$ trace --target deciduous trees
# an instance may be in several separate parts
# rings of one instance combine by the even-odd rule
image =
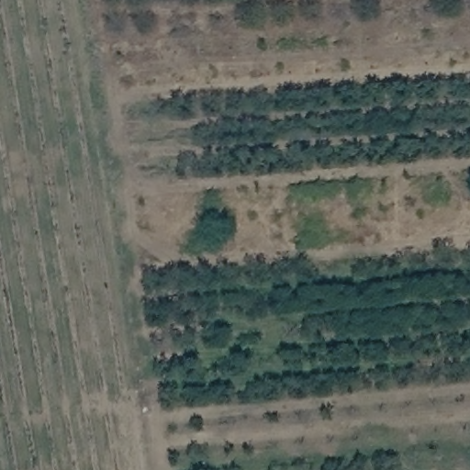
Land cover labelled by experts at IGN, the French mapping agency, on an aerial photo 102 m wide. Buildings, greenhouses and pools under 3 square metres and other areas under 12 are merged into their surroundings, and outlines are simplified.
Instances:
[[[409,384],[428,386],[435,384],[439,378],[446,378],[450,384],[470,382],[470,246],[461,250],[444,244],[439,248],[431,246],[431,250],[419,253],[413,250],[413,246],[406,246],[393,255],[397,259],[397,264],[393,266],[365,264],[358,272],[351,268],[349,279],[352,281],[400,274],[402,270],[426,270],[433,266],[463,270],[461,277],[437,274],[378,283],[369,286],[362,294],[358,294],[351,286],[325,285],[327,277],[319,274],[316,264],[307,255],[296,253],[294,257],[281,257],[272,263],[268,263],[264,255],[246,255],[244,264],[231,263],[224,259],[217,261],[215,266],[209,264],[207,268],[198,270],[195,275],[185,270],[171,270],[165,275],[141,274],[143,290],[154,290],[162,286],[176,288],[176,294],[169,296],[158,299],[143,297],[147,325],[160,327],[167,319],[178,319],[184,325],[184,330],[180,332],[180,338],[174,341],[174,345],[178,345],[185,352],[196,351],[195,340],[204,341],[207,347],[222,347],[224,341],[228,340],[231,325],[228,321],[218,318],[215,310],[231,310],[250,319],[264,318],[266,314],[277,316],[303,312],[305,316],[301,318],[301,334],[305,338],[314,338],[312,343],[308,343],[308,351],[299,343],[279,343],[275,351],[281,356],[283,371],[268,371],[263,375],[253,376],[252,380],[246,382],[244,389],[239,391],[237,398],[241,404],[272,402],[281,398],[325,397],[332,393],[352,393],[364,389],[384,391],[406,387]],[[387,365],[387,354],[400,356],[406,352],[420,352],[424,354],[422,360],[415,360],[413,364]]]
[[[352,13],[360,20],[380,17],[380,0],[351,0]]]
[[[195,464],[191,470],[215,470],[209,464],[206,442],[191,442],[185,448],[189,461]]]
[[[352,459],[345,459],[341,455],[312,453],[303,457],[270,459],[266,470],[400,470],[397,450],[376,448],[364,452],[356,450]]]
[[[134,22],[140,33],[149,33],[156,26],[156,15],[152,11],[105,13],[105,28],[114,33],[121,33]]]
[[[248,7],[241,11],[235,7],[235,20],[241,22],[242,28],[250,29],[264,28],[264,22],[283,26],[288,20],[296,17],[318,20],[321,15],[319,0],[261,0],[257,7]]]
[[[277,39],[281,50],[314,50],[327,46],[327,37],[312,39],[303,33],[296,33],[294,37]]]
[[[222,246],[235,235],[237,222],[235,215],[228,209],[204,207],[200,211],[196,215],[193,229],[200,235],[200,241],[204,242],[209,252],[222,250]]]
[[[160,406],[163,409],[189,408],[228,404],[229,387],[233,386],[231,380],[206,382],[206,375],[211,371],[233,371],[235,375],[244,373],[244,369],[250,364],[252,351],[242,349],[242,345],[252,338],[261,338],[261,332],[248,330],[239,334],[237,343],[229,349],[228,354],[217,358],[209,367],[202,367],[198,356],[185,360],[184,364],[180,365],[156,358],[152,360],[151,367],[152,373],[160,382]]]
[[[463,0],[430,0],[433,13],[444,18],[459,17],[463,13]]]
[[[345,86],[334,94],[332,88],[285,92],[283,86],[277,86],[275,92],[266,90],[264,94],[257,94],[255,97],[231,97],[228,94],[229,88],[218,88],[220,95],[215,105],[209,101],[200,103],[200,97],[169,97],[163,101],[163,116],[173,119],[187,119],[200,114],[202,110],[206,114],[215,114],[218,117],[215,123],[198,123],[191,127],[191,141],[202,147],[202,154],[198,154],[191,167],[196,178],[233,174],[297,173],[308,171],[318,165],[327,169],[365,162],[382,165],[417,162],[419,158],[470,156],[470,88],[466,88],[461,81],[424,81],[417,84],[391,83],[386,86],[369,84],[362,90]],[[369,140],[369,143],[358,140],[341,141],[341,145],[330,145],[330,141],[316,141],[314,145],[308,145],[308,149],[301,149],[301,140],[294,140],[286,143],[285,151],[279,151],[274,145],[275,140],[281,140],[286,132],[292,130],[310,130],[314,134],[375,132],[376,138]]]

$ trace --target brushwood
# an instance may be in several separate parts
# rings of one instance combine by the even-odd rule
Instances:
[[[424,202],[431,206],[446,206],[452,198],[450,184],[442,178],[441,173],[428,173],[409,174],[409,184],[419,187]]]
[[[319,200],[345,193],[352,209],[351,217],[362,218],[367,213],[365,200],[371,193],[387,193],[386,176],[351,176],[330,180],[316,178],[307,182],[288,184],[285,204],[277,211],[281,213],[281,217],[286,217],[292,222],[292,229],[296,231],[296,253],[307,255],[310,248],[325,248],[329,244],[364,244],[364,237],[354,235],[347,229],[329,229]]]
[[[222,202],[218,189],[206,189],[200,211],[204,207],[228,209]]]
[[[209,252],[204,242],[200,241],[200,235],[193,229],[187,231],[187,239],[180,246],[180,252],[191,253],[198,259],[202,259],[202,255]]]

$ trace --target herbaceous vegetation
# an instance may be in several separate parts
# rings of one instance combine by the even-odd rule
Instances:
[[[279,151],[285,151],[286,143],[294,140],[301,140],[301,149],[308,149],[308,145],[314,145],[316,141],[330,141],[330,145],[341,145],[341,141],[358,140],[369,143],[369,140],[376,138],[375,132],[314,134],[310,130],[292,130],[286,132],[281,140],[275,140],[274,145]]]
[[[195,464],[189,461],[185,448],[178,448],[178,461],[169,463],[167,470],[191,470]]]
[[[185,352],[178,345],[174,345],[174,341],[180,338],[180,332],[184,330],[184,325],[178,319],[167,319],[160,327],[147,325],[141,327],[141,336],[151,336],[156,358],[180,365],[184,364],[185,360],[198,356],[202,367],[209,367],[217,358],[228,354],[229,349],[237,343],[239,334],[248,330],[261,332],[261,338],[252,338],[242,345],[242,349],[252,351],[250,364],[244,369],[244,373],[235,375],[233,371],[211,371],[206,375],[206,382],[231,380],[233,386],[229,387],[228,404],[189,408],[193,417],[187,422],[174,424],[176,433],[185,433],[191,442],[206,442],[209,464],[215,470],[266,470],[270,459],[303,457],[312,453],[341,455],[345,459],[352,459],[356,450],[364,452],[376,448],[397,450],[400,470],[470,470],[470,382],[450,384],[446,378],[439,378],[435,384],[428,386],[409,384],[406,387],[384,391],[364,389],[352,393],[332,393],[325,397],[281,398],[272,402],[241,404],[237,398],[239,391],[244,389],[246,382],[252,380],[253,376],[263,375],[268,371],[283,371],[281,356],[275,351],[279,343],[299,343],[308,351],[308,343],[312,343],[314,338],[305,338],[301,334],[301,318],[305,316],[303,312],[277,316],[266,314],[264,318],[250,319],[231,310],[215,310],[218,318],[228,321],[231,325],[228,340],[224,341],[222,347],[207,347],[204,341],[195,340],[196,351]]]
[[[257,94],[264,94],[266,90],[275,92],[277,86],[283,86],[285,92],[332,88],[334,94],[345,86],[362,90],[369,84],[386,86],[391,83],[417,84],[424,81],[461,81],[466,88],[470,88],[470,0],[463,0],[463,13],[459,17],[444,18],[433,13],[430,0],[380,0],[380,17],[360,20],[352,13],[351,0],[319,0],[321,15],[318,20],[296,17],[288,20],[283,26],[264,22],[264,28],[250,29],[242,28],[241,22],[235,20],[235,7],[241,11],[248,7],[257,7],[261,0],[103,0],[105,13],[152,11],[156,15],[156,26],[149,33],[140,33],[134,22],[121,33],[114,33],[106,42],[108,51],[123,51],[121,66],[129,75],[121,77],[121,81],[116,81],[108,75],[103,81],[103,92],[106,95],[108,112],[112,117],[112,127],[108,130],[106,143],[112,152],[119,156],[123,165],[123,185],[117,193],[117,202],[127,213],[127,218],[123,222],[123,241],[129,244],[130,250],[134,253],[134,266],[140,266],[141,274],[165,275],[171,270],[185,270],[195,275],[198,270],[207,268],[209,264],[215,266],[217,261],[224,259],[231,263],[244,264],[246,255],[264,255],[268,263],[272,263],[281,257],[294,257],[296,253],[296,231],[292,229],[292,222],[286,217],[281,217],[281,213],[277,211],[285,204],[288,184],[307,182],[316,178],[330,180],[351,176],[386,176],[387,193],[371,193],[365,200],[367,213],[362,218],[351,217],[352,209],[345,193],[319,200],[329,229],[347,229],[354,235],[364,237],[364,244],[329,244],[325,248],[310,248],[307,255],[316,264],[319,274],[327,277],[325,285],[351,286],[358,294],[362,294],[369,286],[378,283],[437,274],[461,277],[463,270],[433,266],[426,270],[402,270],[400,274],[352,281],[349,279],[351,268],[358,272],[365,264],[393,266],[397,264],[397,259],[393,255],[406,246],[413,246],[413,250],[419,253],[431,250],[431,246],[439,248],[444,244],[461,250],[470,246],[470,156],[419,158],[417,162],[382,165],[365,162],[327,169],[318,165],[308,171],[297,173],[233,174],[196,178],[191,167],[198,154],[202,154],[202,147],[191,141],[191,127],[198,123],[215,123],[218,117],[215,114],[206,114],[202,110],[200,114],[187,119],[173,119],[163,116],[163,101],[169,97],[200,97],[200,103],[209,101],[215,105],[220,95],[218,88],[229,88],[228,94],[231,97],[255,97]],[[303,33],[312,39],[327,37],[327,46],[314,50],[281,50],[277,39],[294,37],[296,33]],[[428,173],[441,173],[442,178],[450,184],[452,198],[446,206],[431,206],[424,202],[419,187],[409,184],[409,174]],[[193,229],[196,215],[200,211],[206,189],[218,189],[222,202],[228,209],[235,215],[237,222],[235,235],[222,246],[222,250],[209,252],[202,255],[202,259],[198,259],[191,253],[180,252],[180,246],[187,239],[187,231]]]
[[[420,352],[406,352],[400,356],[387,354],[387,365],[413,364],[415,360],[422,360],[424,354]]]
[[[176,294],[176,288],[162,286],[154,290],[143,290],[143,297],[158,299],[169,296]]]

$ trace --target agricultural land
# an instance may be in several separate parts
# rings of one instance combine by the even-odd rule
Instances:
[[[141,336],[141,327],[147,325],[143,297],[143,290],[141,274],[140,266],[134,266],[134,253],[130,250],[129,244],[123,241],[123,222],[127,218],[127,213],[117,202],[117,193],[123,185],[123,165],[119,156],[112,152],[106,143],[108,130],[112,127],[112,117],[108,112],[106,95],[103,92],[103,81],[108,75],[116,81],[121,81],[121,77],[129,75],[121,66],[123,51],[108,51],[106,42],[114,33],[105,28],[105,13],[103,0],[0,0],[0,470],[167,470],[169,463],[178,461],[178,448],[185,448],[191,442],[185,433],[176,433],[174,424],[187,422],[193,417],[189,408],[163,409],[160,406],[160,382],[152,373],[151,367],[152,360],[156,358],[151,336]]]

